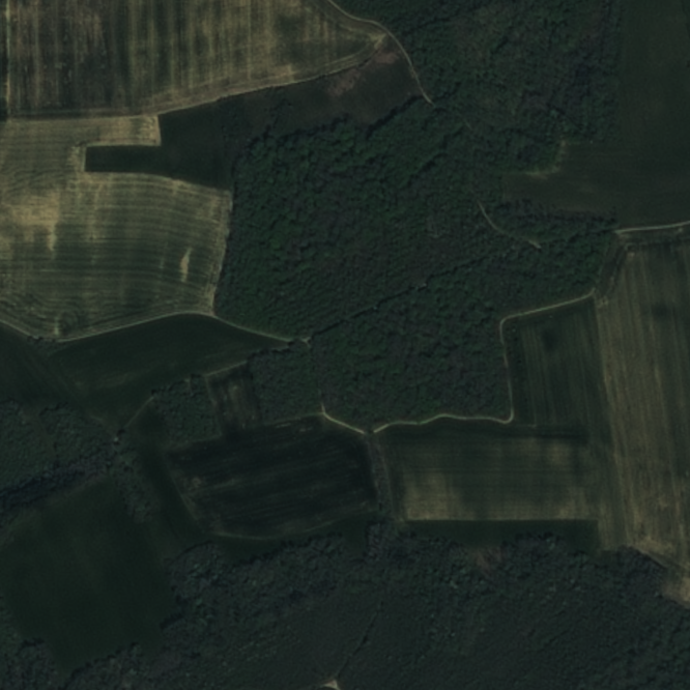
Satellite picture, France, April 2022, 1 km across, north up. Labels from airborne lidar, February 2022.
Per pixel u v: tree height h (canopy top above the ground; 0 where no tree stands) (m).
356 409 21
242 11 0
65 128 0
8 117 0
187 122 0
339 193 21
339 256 23
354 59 0
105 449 12
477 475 0
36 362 0
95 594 0
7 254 0
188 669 13
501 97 24
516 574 23
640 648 23
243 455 0
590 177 0
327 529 0
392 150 24
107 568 0
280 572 26
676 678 25
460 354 30
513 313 18
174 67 0
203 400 18
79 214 0
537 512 0
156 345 0
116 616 0
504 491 0
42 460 9
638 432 0
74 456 14
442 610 16
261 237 19
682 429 0
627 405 0
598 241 18
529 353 0
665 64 0
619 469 0
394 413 24
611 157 0
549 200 0
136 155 0
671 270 0
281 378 19
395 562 21
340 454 0
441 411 21
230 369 0
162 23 0
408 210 21
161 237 0
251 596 19
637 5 0
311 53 0
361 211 19
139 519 19
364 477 0
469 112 23
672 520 0
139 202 0
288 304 13
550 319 0
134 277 0
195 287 0
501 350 20
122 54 0
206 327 0
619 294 0
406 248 12
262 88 0
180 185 0
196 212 0
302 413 16
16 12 0
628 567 19
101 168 0
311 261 20
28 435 9
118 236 0
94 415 0
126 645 0
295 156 23
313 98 0
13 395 0
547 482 0
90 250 0
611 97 17
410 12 15
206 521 0
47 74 0
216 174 0
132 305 0
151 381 0
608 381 0
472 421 18
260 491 0
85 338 0
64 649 0
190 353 0
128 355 0
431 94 15
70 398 0
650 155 0
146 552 0
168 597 0
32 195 0
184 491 0
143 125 0
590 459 0
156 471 0
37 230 0
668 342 0
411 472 0
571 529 0
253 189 20
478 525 0
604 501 0
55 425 9
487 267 16
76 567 0
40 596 0
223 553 7
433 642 14
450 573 19
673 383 0
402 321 25
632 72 0
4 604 11
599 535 0
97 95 0
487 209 8
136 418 0
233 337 0
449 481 0
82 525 0
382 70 0
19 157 0
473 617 25
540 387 0
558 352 0
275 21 0
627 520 0
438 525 0
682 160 0
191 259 0
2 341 0
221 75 0
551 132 9
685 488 0
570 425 0
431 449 0
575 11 14
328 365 20
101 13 0
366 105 0
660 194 0
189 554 8
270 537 0
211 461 0
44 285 0
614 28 13
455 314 27
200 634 21
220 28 0
